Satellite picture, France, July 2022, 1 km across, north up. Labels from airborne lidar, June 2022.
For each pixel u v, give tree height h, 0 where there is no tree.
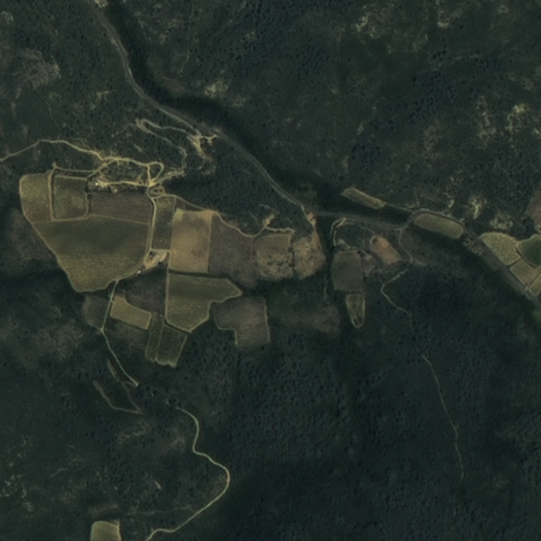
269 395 14
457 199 7
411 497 9
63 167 0
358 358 10
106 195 0
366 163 8
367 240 0
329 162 0
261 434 9
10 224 0
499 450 10
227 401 9
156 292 0
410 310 7
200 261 0
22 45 8
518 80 0
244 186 10
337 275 0
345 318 7
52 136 0
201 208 0
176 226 0
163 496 6
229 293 0
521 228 6
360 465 12
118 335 0
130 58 11
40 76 0
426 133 0
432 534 6
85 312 0
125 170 0
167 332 0
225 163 7
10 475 0
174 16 0
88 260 0
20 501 0
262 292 11
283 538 9
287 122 0
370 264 0
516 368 6
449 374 9
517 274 0
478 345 13
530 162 8
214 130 0
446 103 9
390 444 7
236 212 6
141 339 0
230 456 9
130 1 0
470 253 7
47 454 0
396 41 0
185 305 0
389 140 0
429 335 8
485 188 7
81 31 7
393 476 12
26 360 0
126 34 11
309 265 0
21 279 7
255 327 0
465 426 8
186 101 7
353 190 0
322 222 6
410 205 0
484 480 6
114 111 6
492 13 0
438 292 9
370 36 0
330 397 19
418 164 0
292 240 7
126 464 8
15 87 0
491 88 7
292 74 7
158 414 9
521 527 8
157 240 0
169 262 0
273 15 6
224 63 8
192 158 8
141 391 12
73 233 0
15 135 0
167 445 0
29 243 0
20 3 10
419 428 9
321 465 6
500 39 0
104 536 0
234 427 7
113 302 0
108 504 0
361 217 0
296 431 14
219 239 0
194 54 11
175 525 12
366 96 12
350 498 9
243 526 10
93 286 0
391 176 0
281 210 6
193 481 8
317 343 7
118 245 0
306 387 10
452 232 0
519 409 7
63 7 8
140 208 0
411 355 8
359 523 8
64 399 12
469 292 5
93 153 0
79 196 0
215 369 7
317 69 10
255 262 0
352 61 12
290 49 7
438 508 7
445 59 6
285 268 0
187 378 10
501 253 0
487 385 7
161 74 0
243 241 0
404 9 10
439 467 7
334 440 8
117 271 0
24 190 0
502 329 6
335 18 0
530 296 0
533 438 13
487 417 10
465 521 12
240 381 13
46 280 6
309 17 0
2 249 0
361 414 11
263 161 8
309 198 0
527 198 14
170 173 0
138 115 7
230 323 0
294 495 7
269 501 6
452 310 7
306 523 7
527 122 7
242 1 7
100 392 6
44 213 0
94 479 0
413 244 0
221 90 0
